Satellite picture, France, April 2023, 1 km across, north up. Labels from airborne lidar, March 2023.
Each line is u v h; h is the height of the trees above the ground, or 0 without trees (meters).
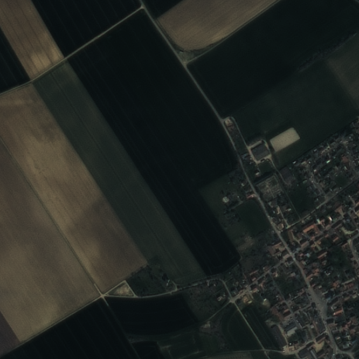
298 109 0
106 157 0
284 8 0
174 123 0
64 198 0
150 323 0
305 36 0
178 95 0
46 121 0
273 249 0
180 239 0
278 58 0
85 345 0
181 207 0
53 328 0
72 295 0
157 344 0
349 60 0
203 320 0
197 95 0
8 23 0
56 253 0
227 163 0
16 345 0
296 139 0
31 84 0
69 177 0
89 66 0
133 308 0
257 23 0
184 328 0
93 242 0
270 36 0
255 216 0
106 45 0
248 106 0
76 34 0
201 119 0
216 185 0
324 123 0
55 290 0
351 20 0
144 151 0
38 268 0
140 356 0
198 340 0
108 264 0
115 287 0
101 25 0
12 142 0
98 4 0
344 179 0
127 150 0
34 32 0
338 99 0
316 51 0
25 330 0
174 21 0
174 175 0
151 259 0
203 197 0
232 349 0
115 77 0
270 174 6
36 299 0
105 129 0
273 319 0
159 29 0
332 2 0
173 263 0
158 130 0
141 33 0
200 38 0
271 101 0
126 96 0
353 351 0
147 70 0
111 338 0
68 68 0
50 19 0
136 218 0
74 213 0
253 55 0
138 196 0
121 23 0
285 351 0
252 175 0
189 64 0
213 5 0
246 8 0
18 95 0
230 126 0
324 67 0
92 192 0
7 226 0
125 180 0
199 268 0
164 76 0
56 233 0
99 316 0
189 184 0
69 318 0
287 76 0
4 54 0
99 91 0
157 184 0
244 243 0
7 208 0
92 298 0
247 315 0
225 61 0
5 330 0
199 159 0
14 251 0
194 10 0
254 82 0
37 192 0
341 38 0
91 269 0
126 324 0
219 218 0
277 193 0
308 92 0
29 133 0
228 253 0
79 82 0
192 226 0
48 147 0
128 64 0
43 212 0
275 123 0
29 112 0
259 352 0
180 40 0
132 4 0
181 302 0
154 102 0
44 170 0
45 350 0
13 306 0
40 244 0
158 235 0
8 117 0
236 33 0
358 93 0
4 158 0
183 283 0
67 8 0
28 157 0
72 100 0
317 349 0
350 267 0
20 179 0
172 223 0
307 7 0
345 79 0
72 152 0
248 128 0
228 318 0
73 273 0
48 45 0
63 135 0
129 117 0
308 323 0
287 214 8
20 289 0
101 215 0
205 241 0
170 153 0
